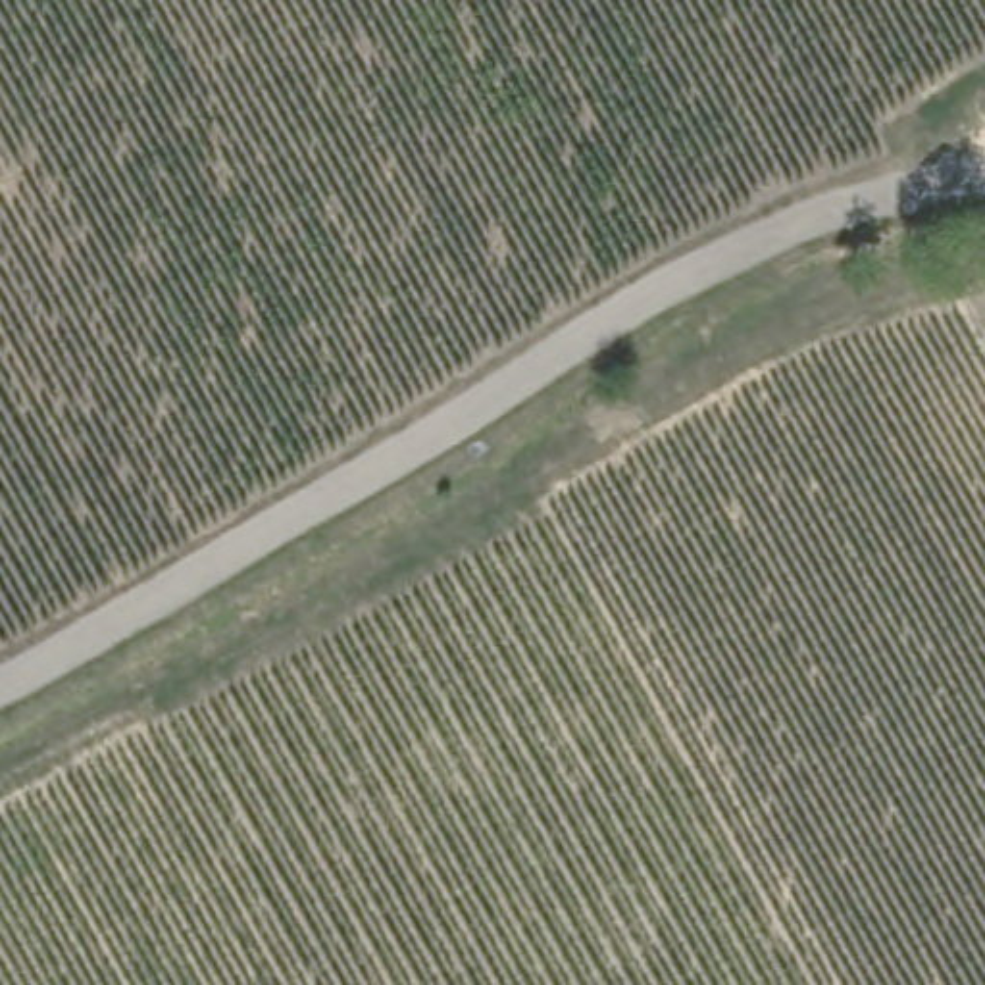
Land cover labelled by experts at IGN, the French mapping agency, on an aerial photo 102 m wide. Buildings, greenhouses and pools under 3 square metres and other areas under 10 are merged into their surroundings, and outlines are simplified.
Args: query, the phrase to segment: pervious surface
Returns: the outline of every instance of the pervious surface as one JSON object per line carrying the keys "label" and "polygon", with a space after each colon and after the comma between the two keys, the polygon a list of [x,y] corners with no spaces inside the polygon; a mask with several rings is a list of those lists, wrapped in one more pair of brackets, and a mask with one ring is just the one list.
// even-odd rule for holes
{"label": "pervious surface", "polygon": [[889,169],[881,177],[820,192],[762,223],[739,227],[677,262],[666,262],[662,269],[619,289],[616,296],[589,308],[550,339],[535,342],[527,354],[489,373],[481,385],[458,392],[431,416],[416,419],[408,431],[377,442],[362,458],[339,466],[335,473],[292,493],[289,500],[258,512],[223,539],[185,554],[177,566],[162,569],[146,585],[108,600],[92,616],[69,623],[65,631],[0,666],[0,708],[69,673],[73,666],[104,654],[131,631],[169,616],[173,608],[189,604],[192,596],[250,566],[254,558],[289,543],[292,535],[323,523],[327,516],[358,504],[381,485],[404,477],[427,458],[442,454],[446,446],[462,442],[512,404],[550,385],[569,366],[589,362],[612,339],[666,312],[669,304],[689,300],[700,289],[727,281],[804,239],[843,231],[846,223],[897,212],[904,215],[927,200],[958,200],[985,192],[985,127],[966,146],[935,146],[912,177]]}

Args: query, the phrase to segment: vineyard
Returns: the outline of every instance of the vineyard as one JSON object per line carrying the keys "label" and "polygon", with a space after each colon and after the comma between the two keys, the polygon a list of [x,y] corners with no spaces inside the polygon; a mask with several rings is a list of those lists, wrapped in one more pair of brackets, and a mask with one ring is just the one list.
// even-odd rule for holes
{"label": "vineyard", "polygon": [[162,546],[185,546],[185,539],[200,523],[246,500],[254,485],[285,477],[312,450],[339,442],[358,423],[396,408],[423,385],[469,362],[473,350],[508,339],[519,327],[531,327],[543,316],[546,300],[585,292],[589,285],[604,281],[616,265],[639,258],[646,246],[666,242],[669,235],[708,215],[731,212],[770,177],[800,177],[816,162],[843,162],[877,146],[873,115],[885,104],[904,100],[923,77],[947,69],[954,58],[985,42],[985,0],[0,0],[0,639],[31,627],[35,619],[54,616],[54,608],[69,604],[85,585],[108,581],[112,569],[127,569]]}
{"label": "vineyard", "polygon": [[339,616],[346,631],[335,639],[265,631],[254,643],[254,658],[242,658],[235,673],[196,685],[185,700],[177,700],[165,712],[154,708],[142,720],[135,720],[135,712],[112,712],[73,731],[65,743],[42,750],[50,766],[42,777],[0,793],[0,985],[985,985],[985,354],[966,319],[958,316],[958,296],[927,300],[916,289],[904,296],[904,308],[885,319],[850,316],[773,354],[773,373],[746,385],[735,396],[731,412],[712,408],[681,423],[666,439],[627,454],[619,469],[608,469],[562,493],[554,516],[543,519],[539,500],[516,512],[500,523],[500,531],[489,535],[485,562],[473,562],[473,550],[458,546],[462,566],[439,558],[427,569],[408,573],[396,585],[373,593],[369,600],[358,600]]}

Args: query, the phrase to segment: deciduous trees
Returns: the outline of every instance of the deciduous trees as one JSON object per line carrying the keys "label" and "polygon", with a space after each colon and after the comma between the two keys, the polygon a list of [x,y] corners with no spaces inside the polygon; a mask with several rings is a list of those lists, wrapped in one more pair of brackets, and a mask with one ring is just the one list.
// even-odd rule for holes
{"label": "deciduous trees", "polygon": [[612,373],[593,369],[593,392],[604,404],[619,404],[631,392],[635,366],[619,366]]}
{"label": "deciduous trees", "polygon": [[870,289],[873,281],[900,285],[904,277],[916,289],[927,300],[958,296],[985,289],[985,223],[977,215],[954,215],[931,227],[931,235],[900,239],[900,246],[885,246],[881,239],[862,250],[846,246],[839,273],[850,289]]}

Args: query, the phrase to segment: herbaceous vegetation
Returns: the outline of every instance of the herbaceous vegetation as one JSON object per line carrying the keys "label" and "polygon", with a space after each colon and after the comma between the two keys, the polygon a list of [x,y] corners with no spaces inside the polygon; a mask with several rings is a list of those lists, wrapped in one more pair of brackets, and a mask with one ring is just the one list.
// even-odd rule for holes
{"label": "herbaceous vegetation", "polygon": [[108,581],[85,585],[69,604],[54,608],[54,616],[35,619],[31,627],[0,639],[0,666],[65,631],[69,623],[92,616],[108,600],[146,585],[162,569],[177,566],[185,554],[223,539],[258,512],[289,500],[292,493],[335,473],[339,466],[362,458],[377,442],[408,431],[416,419],[431,416],[458,392],[481,385],[489,373],[527,354],[535,342],[550,339],[589,308],[616,296],[619,289],[662,269],[666,262],[677,262],[739,227],[762,223],[820,192],[881,177],[889,169],[912,177],[935,146],[966,146],[985,127],[985,42],[954,58],[947,69],[923,77],[904,100],[885,104],[873,115],[877,146],[843,162],[816,162],[800,177],[770,177],[731,212],[708,215],[669,235],[666,242],[646,246],[639,258],[616,265],[604,281],[589,285],[585,292],[546,300],[543,316],[531,327],[519,327],[508,339],[473,350],[469,362],[423,385],[396,408],[358,423],[339,442],[312,450],[285,477],[254,485],[246,500],[200,523],[185,539],[185,546],[162,546],[127,569],[112,569]]}
{"label": "herbaceous vegetation", "polygon": [[958,296],[958,316],[966,319],[985,354],[985,289]]}
{"label": "herbaceous vegetation", "polygon": [[[746,385],[773,373],[773,354],[850,316],[885,319],[904,308],[904,296],[916,289],[904,277],[900,285],[873,281],[870,289],[850,289],[839,273],[846,246],[862,250],[881,239],[885,246],[900,246],[900,239],[931,235],[931,227],[954,215],[977,215],[985,223],[985,192],[958,200],[927,200],[904,215],[897,212],[846,223],[843,231],[804,239],[727,281],[700,289],[689,300],[669,304],[666,312],[612,339],[589,362],[569,366],[550,385],[512,404],[462,442],[446,446],[442,454],[427,458],[404,477],[381,485],[358,504],[327,516],[323,523],[292,535],[289,543],[254,558],[250,566],[192,596],[189,604],[173,608],[169,616],[131,631],[104,654],[73,666],[69,673],[0,708],[0,793],[42,777],[50,766],[42,750],[65,743],[73,731],[112,712],[135,712],[135,720],[142,720],[154,708],[165,712],[177,700],[185,700],[196,685],[235,673],[242,658],[254,658],[254,643],[265,631],[335,639],[346,631],[339,616],[358,600],[369,600],[373,593],[396,585],[408,573],[427,569],[439,558],[462,566],[458,546],[473,550],[473,562],[485,562],[489,535],[500,531],[500,523],[516,512],[539,500],[543,519],[554,516],[562,493],[608,469],[619,469],[627,454],[666,439],[681,423],[712,408],[731,412],[735,396]],[[619,366],[635,366],[631,392],[619,404],[604,404],[593,392],[593,369],[612,373]]]}

